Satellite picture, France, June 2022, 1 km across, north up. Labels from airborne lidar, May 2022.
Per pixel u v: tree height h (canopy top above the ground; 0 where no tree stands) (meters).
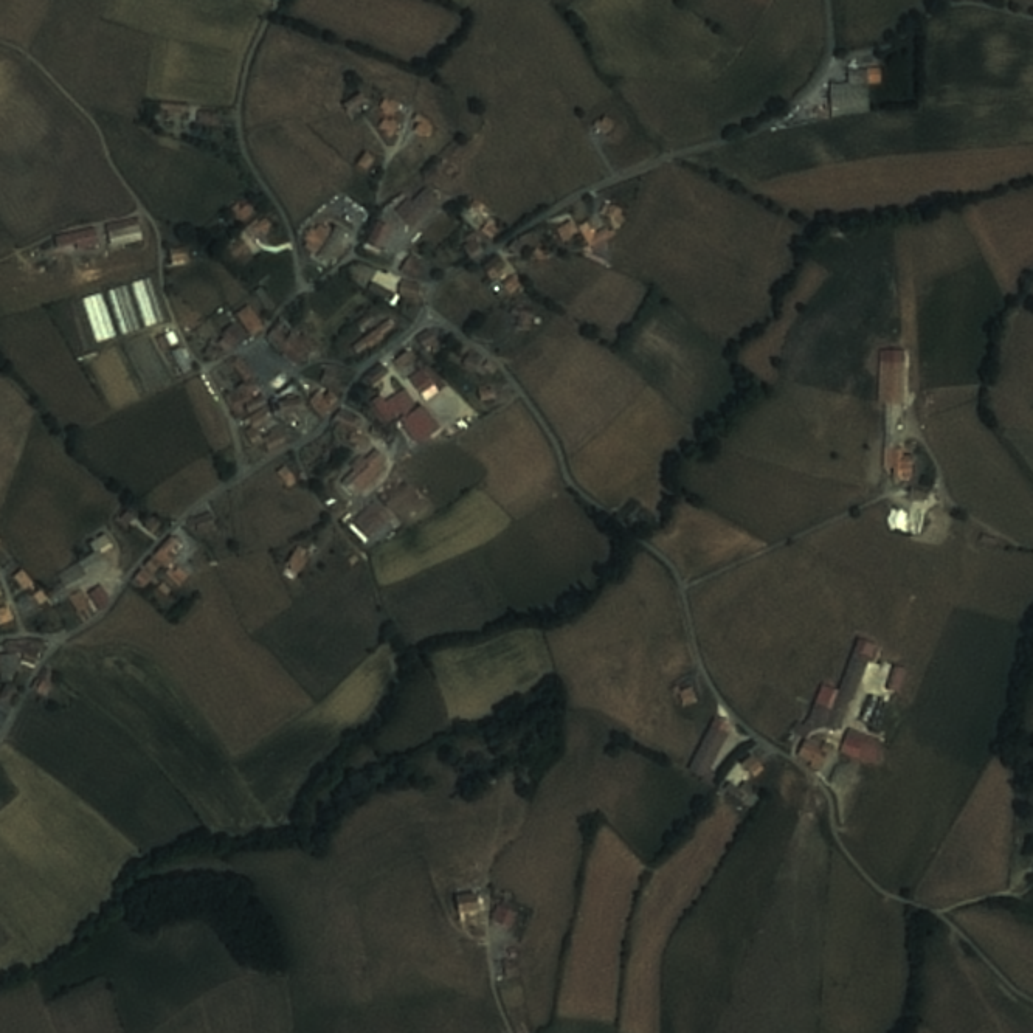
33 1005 0
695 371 0
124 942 0
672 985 0
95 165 0
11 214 0
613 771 0
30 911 0
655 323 0
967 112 0
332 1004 0
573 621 19
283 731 0
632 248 0
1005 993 0
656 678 0
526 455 0
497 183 0
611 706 0
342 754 10
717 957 0
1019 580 0
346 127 0
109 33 0
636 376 0
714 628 0
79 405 0
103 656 0
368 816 0
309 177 0
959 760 0
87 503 0
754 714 0
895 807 0
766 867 0
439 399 0
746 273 0
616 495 0
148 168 0
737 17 0
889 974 0
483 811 0
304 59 0
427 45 0
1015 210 0
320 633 0
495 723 17
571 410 0
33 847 0
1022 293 7
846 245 0
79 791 0
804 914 0
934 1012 0
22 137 0
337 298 0
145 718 0
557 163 0
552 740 10
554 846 0
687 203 0
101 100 0
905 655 0
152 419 0
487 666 0
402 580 0
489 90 0
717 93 0
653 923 0
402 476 0
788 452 0
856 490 0
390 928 0
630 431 0
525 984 0
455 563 0
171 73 0
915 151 0
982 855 0
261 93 0
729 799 0
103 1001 0
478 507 0
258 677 0
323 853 14
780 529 0
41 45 0
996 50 0
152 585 8
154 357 0
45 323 0
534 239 0
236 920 24
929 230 0
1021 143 0
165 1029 0
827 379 0
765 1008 0
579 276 0
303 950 0
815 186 0
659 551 0
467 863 0
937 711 0
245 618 0
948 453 0
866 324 0
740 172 0
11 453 0
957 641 0
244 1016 0
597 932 0
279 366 0
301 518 0
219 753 0
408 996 0
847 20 0
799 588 0
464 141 10
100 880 0
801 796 0
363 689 0
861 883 0
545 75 0
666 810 0
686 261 0
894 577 0
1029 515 0
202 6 0
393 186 0
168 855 17
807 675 0
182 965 0
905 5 0
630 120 0
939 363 0
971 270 0
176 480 0
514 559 0
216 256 15
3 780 0
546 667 0
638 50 0
